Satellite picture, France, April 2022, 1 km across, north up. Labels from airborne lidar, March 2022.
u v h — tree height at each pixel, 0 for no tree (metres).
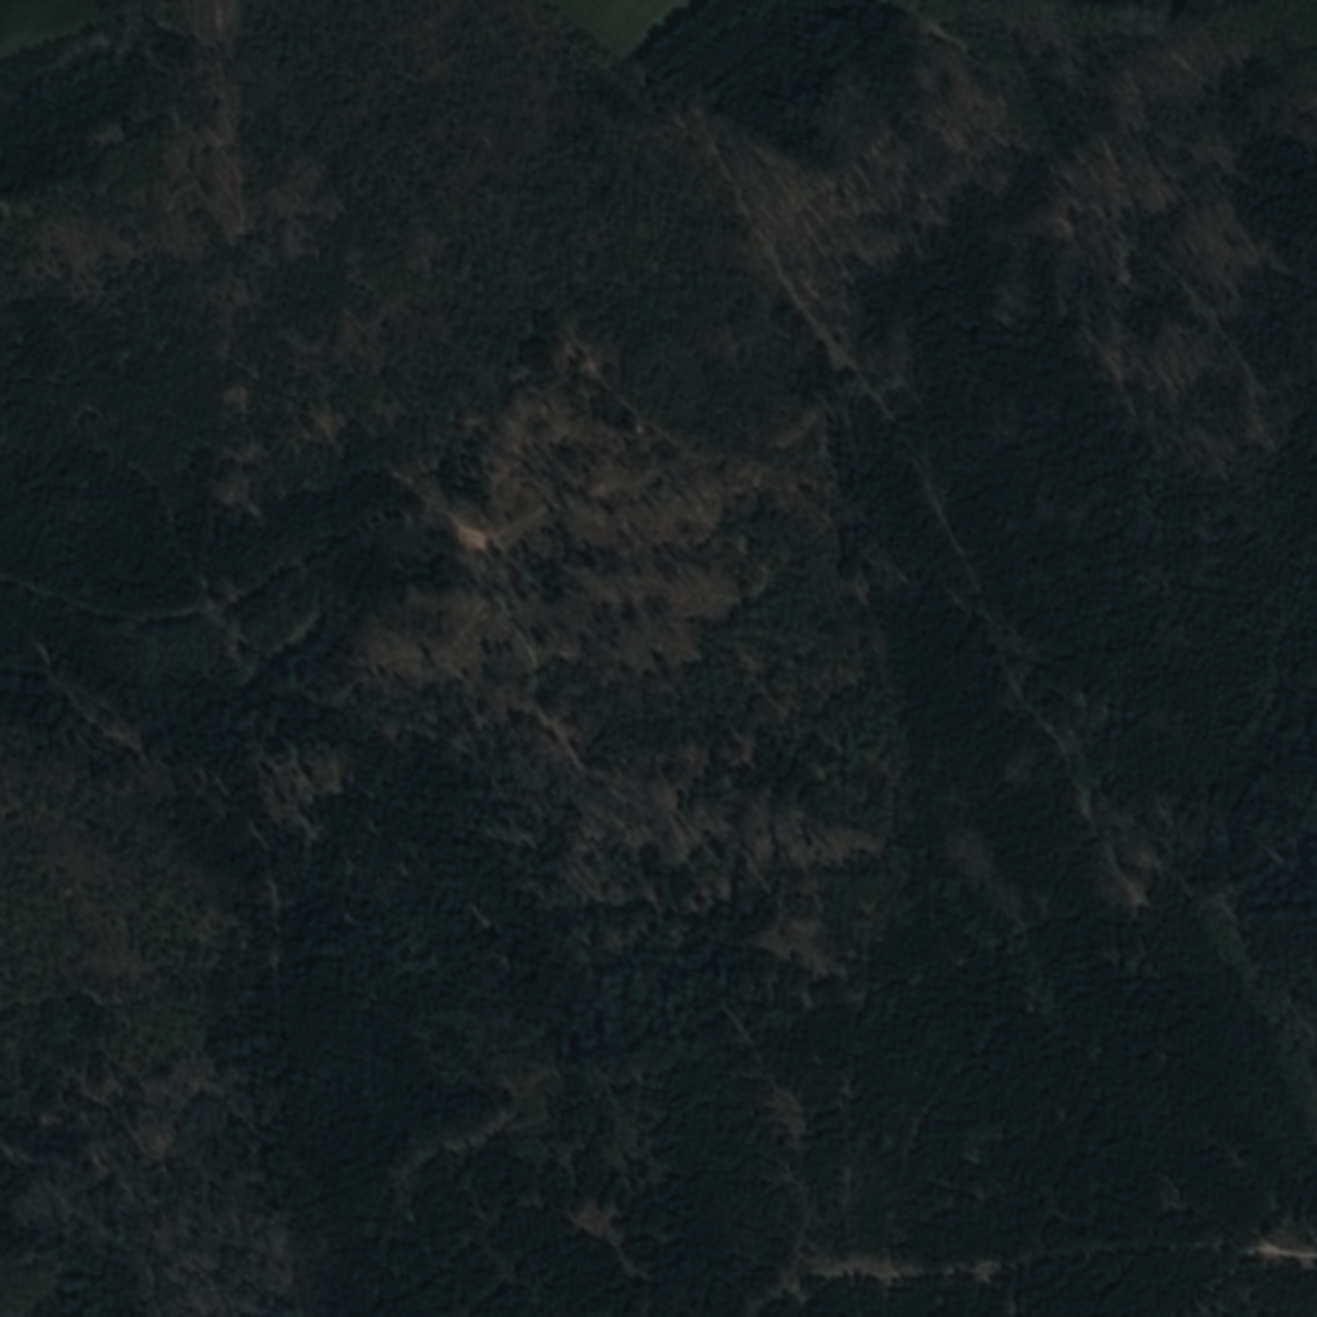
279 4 7
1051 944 12
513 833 30
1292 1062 15
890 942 11
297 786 32
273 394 14
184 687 19
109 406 12
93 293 9
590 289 8
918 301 23
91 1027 15
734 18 20
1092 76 20
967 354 23
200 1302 28
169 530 20
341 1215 6
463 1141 21
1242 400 25
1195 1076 14
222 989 16
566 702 10
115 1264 13
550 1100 11
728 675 17
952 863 13
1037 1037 11
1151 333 21
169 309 12
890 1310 6
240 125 8
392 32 8
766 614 15
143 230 11
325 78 10
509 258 11
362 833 11
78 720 25
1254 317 20
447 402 12
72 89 17
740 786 8
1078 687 20
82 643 16
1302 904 33
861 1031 10
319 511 22
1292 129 13
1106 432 23
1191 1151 12
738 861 7
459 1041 14
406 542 18
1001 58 21
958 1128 9
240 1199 34
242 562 20
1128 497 21
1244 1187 14
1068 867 15
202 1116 26
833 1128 11
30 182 13
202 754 28
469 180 8
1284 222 30
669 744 12
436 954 13
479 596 29
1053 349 25
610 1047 19
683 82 23
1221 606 24
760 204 16
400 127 8
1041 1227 14
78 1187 26
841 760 8
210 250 8
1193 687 23
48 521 20
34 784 8
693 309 7
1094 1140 13
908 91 24
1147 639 20
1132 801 19
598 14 0
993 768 15
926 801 10
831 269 19
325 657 15
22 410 11
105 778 18
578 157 9
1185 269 19
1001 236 19
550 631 0
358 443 12
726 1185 10
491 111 7
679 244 13
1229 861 20
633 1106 8
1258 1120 14
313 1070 14
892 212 17
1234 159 18
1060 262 20
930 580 19
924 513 21
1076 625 19
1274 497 24
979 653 17
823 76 13
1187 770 24
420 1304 15
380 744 14
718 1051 14
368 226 11
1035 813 18
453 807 9
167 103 13
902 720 7
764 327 12
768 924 12
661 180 11
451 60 13
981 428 20
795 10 18
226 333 10
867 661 6
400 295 14
